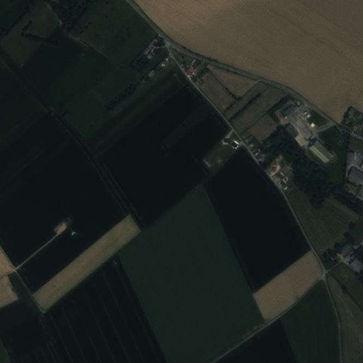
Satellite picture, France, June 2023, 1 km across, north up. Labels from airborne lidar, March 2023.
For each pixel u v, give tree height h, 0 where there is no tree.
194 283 0
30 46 0
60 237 0
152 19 0
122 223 0
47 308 0
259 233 0
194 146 0
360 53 0
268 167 0
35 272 0
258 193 0
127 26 0
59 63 0
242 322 0
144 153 0
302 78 0
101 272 0
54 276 0
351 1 0
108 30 0
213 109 0
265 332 0
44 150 0
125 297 0
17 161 0
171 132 0
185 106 0
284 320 0
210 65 0
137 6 0
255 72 0
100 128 0
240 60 0
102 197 0
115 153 0
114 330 0
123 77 0
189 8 0
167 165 0
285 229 0
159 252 0
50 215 0
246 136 0
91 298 0
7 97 0
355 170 0
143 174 0
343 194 11
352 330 0
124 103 0
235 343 0
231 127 0
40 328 0
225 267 0
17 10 0
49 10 0
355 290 0
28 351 0
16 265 0
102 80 0
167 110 0
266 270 0
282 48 0
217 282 0
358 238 0
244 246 0
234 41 0
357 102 0
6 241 0
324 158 0
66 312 0
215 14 0
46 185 0
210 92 0
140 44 0
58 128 0
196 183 0
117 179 0
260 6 0
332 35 0
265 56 0
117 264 0
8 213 0
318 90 0
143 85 0
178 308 0
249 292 0
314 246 0
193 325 0
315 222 0
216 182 0
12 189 0
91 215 0
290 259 0
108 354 0
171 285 0
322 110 0
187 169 0
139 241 0
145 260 0
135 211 0
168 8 0
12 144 0
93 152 0
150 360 0
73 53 0
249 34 0
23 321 0
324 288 0
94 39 0
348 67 0
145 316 0
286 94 0
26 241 0
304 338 0
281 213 0
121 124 0
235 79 0
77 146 0
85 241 0
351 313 0
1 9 0
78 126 0
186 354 0
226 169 0
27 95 0
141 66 0
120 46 0
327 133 0
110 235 0
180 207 0
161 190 0
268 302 0
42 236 0
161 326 0
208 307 0
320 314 0
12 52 0
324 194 16
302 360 0
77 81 0
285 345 0
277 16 0
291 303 0
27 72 0
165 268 0
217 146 0
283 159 0
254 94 0
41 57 0
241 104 0
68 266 0
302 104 0
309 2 0
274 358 0
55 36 0
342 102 0
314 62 0
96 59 0
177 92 0
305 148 0
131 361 0
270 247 0
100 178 0
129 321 0
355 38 0
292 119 0
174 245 0
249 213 0
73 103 0
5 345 0
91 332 0
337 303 0
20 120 0
